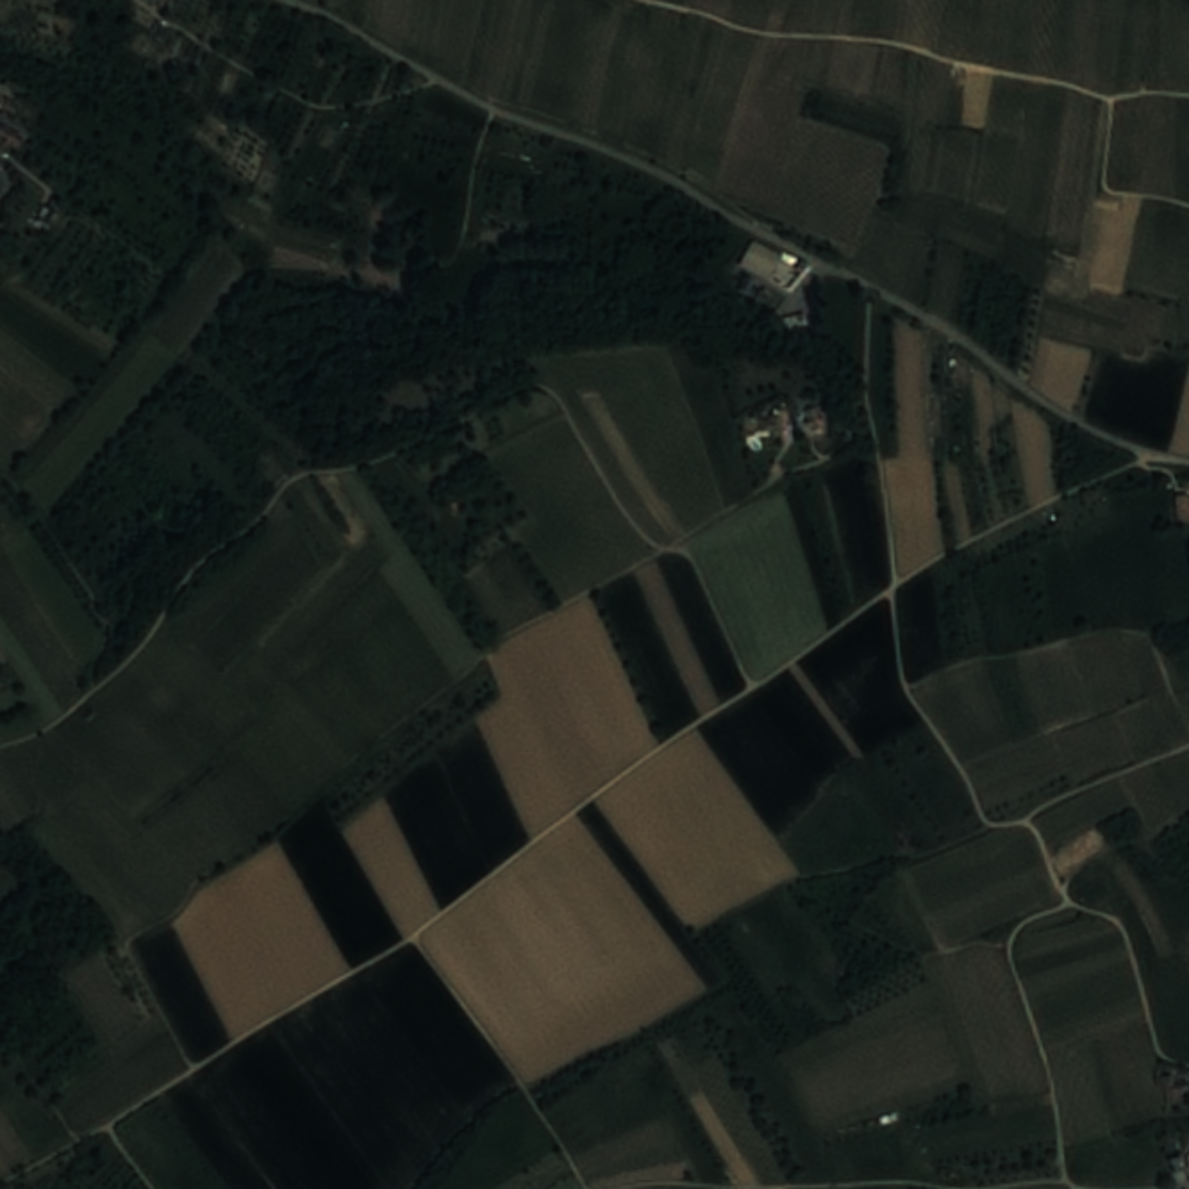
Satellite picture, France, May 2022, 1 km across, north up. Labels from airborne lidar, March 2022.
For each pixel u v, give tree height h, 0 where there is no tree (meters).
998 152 0
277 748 0
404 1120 0
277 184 0
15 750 0
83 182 7
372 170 11
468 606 8
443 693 0
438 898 0
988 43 0
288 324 10
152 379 0
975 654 0
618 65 0
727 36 0
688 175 0
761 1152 0
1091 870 0
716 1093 0
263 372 10
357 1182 0
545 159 0
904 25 0
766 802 0
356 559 0
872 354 0
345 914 0
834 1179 0
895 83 0
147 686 0
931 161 0
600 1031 0
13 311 0
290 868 0
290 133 0
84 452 0
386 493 12
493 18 0
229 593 0
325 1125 0
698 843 0
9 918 18
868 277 0
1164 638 10
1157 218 0
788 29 0
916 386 0
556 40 0
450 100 0
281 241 0
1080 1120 0
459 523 0
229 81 0
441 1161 6
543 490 0
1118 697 0
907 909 0
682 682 0
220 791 0
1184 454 0
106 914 0
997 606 0
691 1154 0
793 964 0
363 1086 0
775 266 0
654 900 0
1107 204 0
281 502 0
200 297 0
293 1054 0
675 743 0
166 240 0
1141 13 0
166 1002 0
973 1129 0
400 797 0
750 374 0
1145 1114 0
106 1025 0
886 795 0
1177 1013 0
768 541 0
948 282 0
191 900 0
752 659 0
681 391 0
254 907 0
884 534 0
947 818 0
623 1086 0
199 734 0
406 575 0
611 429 0
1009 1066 0
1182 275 0
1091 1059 0
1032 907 0
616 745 0
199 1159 0
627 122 0
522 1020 0
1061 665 0
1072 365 0
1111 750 0
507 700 0
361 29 0
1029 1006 0
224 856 0
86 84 7
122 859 0
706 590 0
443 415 13
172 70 14
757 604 0
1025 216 0
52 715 0
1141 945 0
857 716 0
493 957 0
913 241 0
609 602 0
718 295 11
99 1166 10
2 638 0
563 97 0
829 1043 0
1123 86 0
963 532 0
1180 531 8
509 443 0
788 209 0
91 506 8
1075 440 7
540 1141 0
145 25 0
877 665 0
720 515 0
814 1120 0
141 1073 0
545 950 0
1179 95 0
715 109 0
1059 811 0
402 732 0
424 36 0
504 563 0
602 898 0
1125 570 0
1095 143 0
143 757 0
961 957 0
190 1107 0
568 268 17
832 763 0
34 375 0
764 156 0
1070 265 0
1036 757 0
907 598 0
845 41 0
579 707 0
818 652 0
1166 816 0
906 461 0
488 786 0
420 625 0
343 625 0
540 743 0
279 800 0
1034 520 0
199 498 8
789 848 0
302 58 0
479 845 0
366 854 0
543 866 0
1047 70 0
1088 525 0
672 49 0
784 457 0
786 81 0
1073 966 0
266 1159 0
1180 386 0
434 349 18
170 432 0
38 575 0
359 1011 0
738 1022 0
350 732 0
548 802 0
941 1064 0
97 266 5
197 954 0
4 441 0
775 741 0
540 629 0
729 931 0
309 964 0
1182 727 0
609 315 18
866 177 0
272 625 0
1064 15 0
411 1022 0
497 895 0
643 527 0
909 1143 0
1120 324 0
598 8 0
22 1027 17
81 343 0
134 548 14
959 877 0
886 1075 0
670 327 8
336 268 0
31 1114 0
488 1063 0
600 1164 0
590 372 0
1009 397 0
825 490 0
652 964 0
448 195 0
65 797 0
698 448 0
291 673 0
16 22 0
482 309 23
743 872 0
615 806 0
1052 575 0
